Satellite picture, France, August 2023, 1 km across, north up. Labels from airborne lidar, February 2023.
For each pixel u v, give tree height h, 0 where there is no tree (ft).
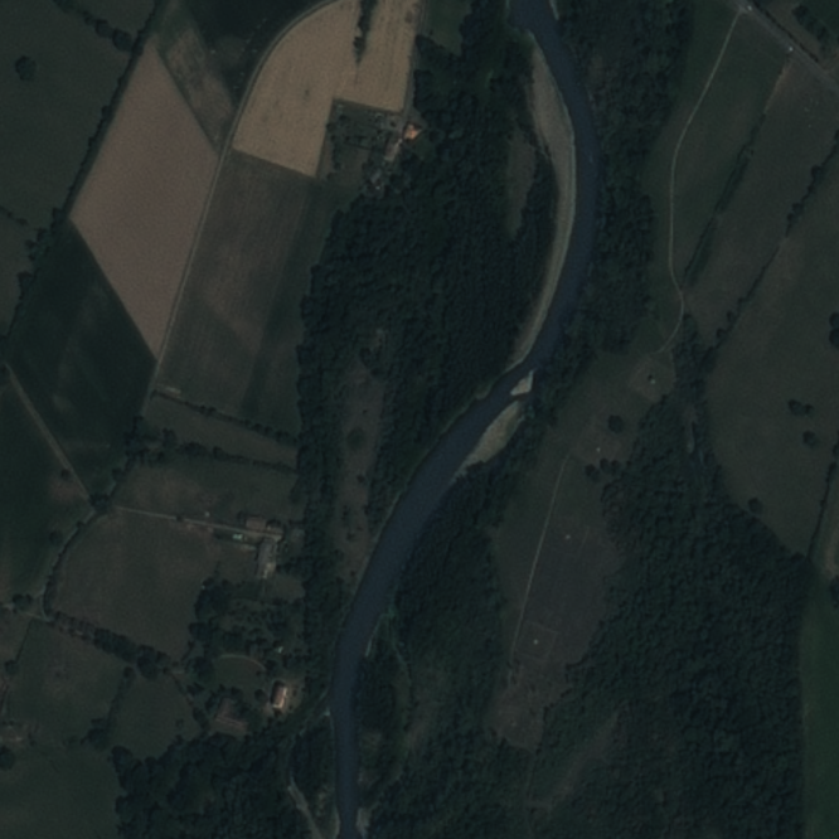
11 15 0
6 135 0
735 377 0
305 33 0
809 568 69
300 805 0
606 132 18
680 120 0
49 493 0
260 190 0
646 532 41
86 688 0
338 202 0
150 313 0
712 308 0
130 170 0
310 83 0
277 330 0
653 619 45
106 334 0
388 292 37
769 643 24
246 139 0
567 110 0
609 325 22
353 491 0
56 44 0
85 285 0
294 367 0
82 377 0
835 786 0
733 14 0
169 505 0
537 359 0
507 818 52
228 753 76
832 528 0
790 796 41
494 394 0
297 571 47
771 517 0
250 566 0
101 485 0
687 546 51
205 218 0
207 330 0
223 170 0
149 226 0
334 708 0
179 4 0
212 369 0
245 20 0
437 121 54
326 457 38
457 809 88
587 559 0
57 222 18
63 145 0
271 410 0
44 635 0
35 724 0
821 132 0
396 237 55
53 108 0
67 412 0
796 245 0
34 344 0
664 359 0
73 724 0
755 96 0
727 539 78
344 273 76
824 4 0
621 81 23
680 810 27
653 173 0
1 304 0
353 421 0
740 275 0
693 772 43
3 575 0
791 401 0
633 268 52
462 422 0
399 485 70
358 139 25
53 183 0
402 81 0
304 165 0
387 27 0
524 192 0
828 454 0
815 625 0
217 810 73
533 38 0
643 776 29
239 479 0
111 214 0
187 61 0
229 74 0
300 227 0
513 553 0
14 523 0
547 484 0
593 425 0
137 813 59
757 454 0
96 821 0
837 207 0
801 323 0
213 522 0
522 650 0
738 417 0
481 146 65
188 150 0
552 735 39
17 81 0
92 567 0
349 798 0
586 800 30
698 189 0
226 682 0
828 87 0
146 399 0
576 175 0
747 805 21
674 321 0
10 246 0
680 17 30
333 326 57
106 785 0
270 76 0
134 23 0
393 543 0
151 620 0
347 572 0
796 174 0
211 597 53
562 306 0
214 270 0
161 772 87
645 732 38
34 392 0
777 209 0
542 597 0
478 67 51
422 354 71
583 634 0
